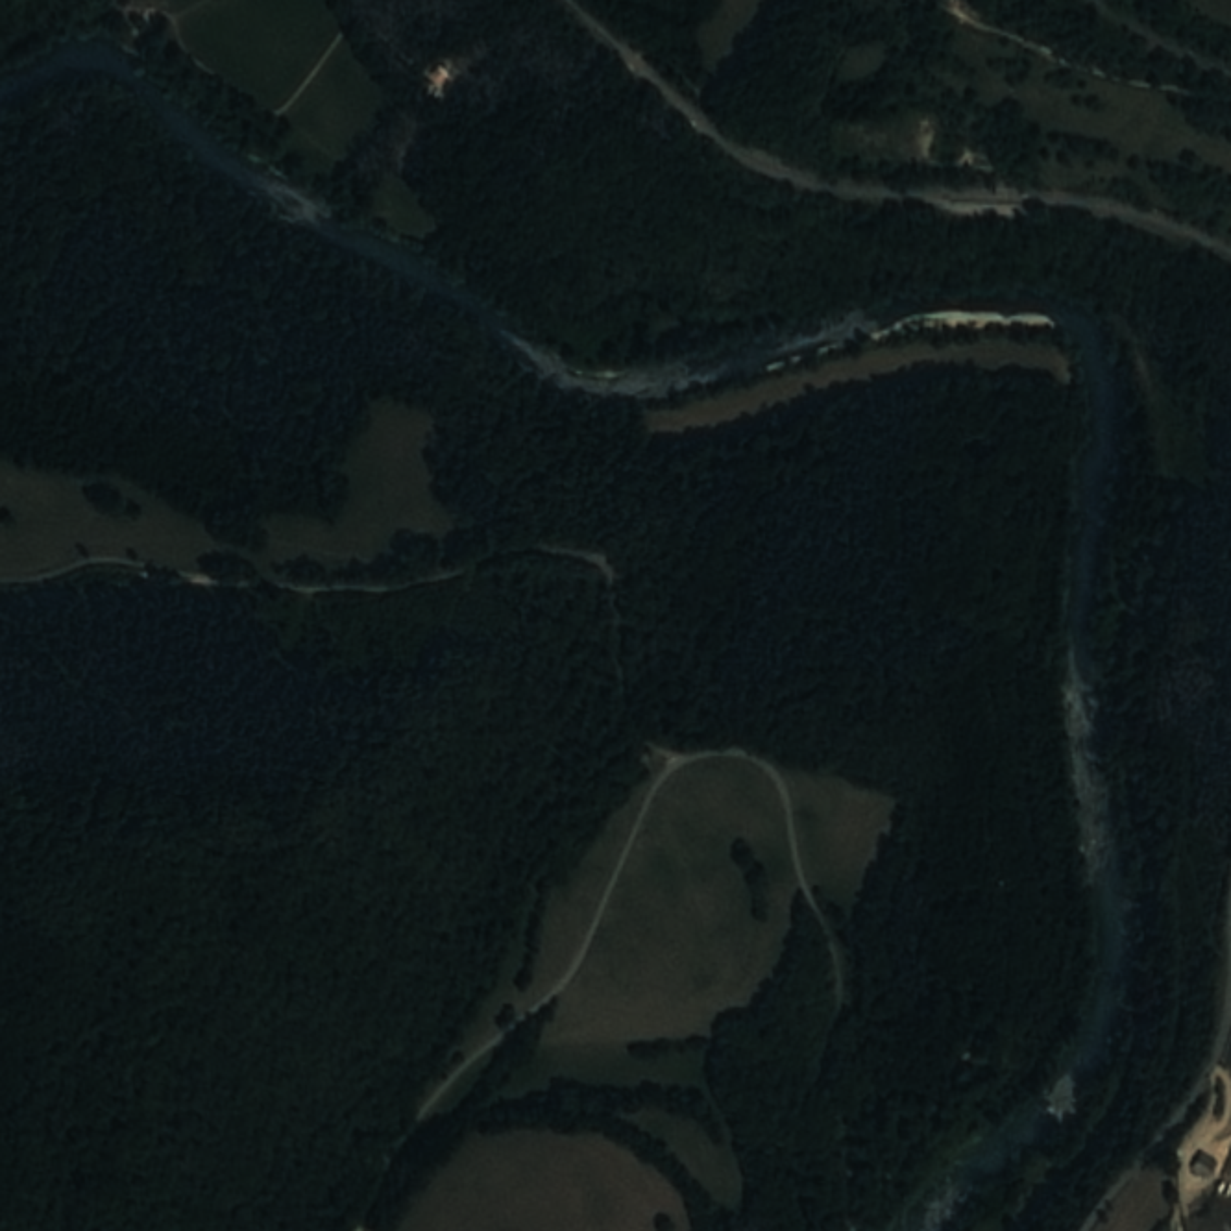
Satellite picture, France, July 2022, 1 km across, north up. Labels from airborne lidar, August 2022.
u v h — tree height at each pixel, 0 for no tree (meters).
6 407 7
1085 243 19
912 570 24
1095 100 7
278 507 13
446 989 20
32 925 13
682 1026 0
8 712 29
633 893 0
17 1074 12
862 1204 20
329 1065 16
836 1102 19
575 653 18
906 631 33
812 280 25
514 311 21
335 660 9
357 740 24
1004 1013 21
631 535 13
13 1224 18
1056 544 13
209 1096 19
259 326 31
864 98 11
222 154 0
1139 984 32
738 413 0
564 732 9
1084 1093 19
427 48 23
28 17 10
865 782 16
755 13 0
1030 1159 14
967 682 19
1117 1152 15
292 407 27
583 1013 0
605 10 17
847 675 27
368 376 17
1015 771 8
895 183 15
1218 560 28
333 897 20
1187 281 22
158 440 9
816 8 20
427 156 25
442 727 13
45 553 0
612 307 26
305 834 11
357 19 23
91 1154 28
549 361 0
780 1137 20
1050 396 19
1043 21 16
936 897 7
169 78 20
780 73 21
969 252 27
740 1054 25
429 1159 23
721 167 8
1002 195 0
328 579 22
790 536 30
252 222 32
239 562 23
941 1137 18
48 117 27
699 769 0
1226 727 23
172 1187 19
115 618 30
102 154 27
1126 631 29
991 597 20
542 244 17
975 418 28
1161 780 15
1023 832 13
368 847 16
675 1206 0
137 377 29
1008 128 13
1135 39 9
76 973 12
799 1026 21
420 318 23
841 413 29
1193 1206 0
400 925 18
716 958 0
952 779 17
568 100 22
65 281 33
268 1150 16
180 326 34
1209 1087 0
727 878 0
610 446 22
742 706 23
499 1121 17
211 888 22
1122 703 22
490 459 26
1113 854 0
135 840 12
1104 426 0
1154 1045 23
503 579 16
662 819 0
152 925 11
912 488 32
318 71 0
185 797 28
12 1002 13
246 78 0
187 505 10
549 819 22
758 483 26
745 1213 9
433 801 19
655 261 15
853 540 35
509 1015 12
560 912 0
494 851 17
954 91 6
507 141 25
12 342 27
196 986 19
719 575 27
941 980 11
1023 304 0
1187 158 11
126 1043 17
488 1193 0
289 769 30
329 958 19
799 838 0
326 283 27
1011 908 14
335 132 0
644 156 24
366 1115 18
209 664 33
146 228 32
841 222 24
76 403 9
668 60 13
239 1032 18
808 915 18
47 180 27
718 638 24
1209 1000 7
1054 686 13
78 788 32
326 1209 20
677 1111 9
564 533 17
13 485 0
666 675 28
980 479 27
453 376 21
